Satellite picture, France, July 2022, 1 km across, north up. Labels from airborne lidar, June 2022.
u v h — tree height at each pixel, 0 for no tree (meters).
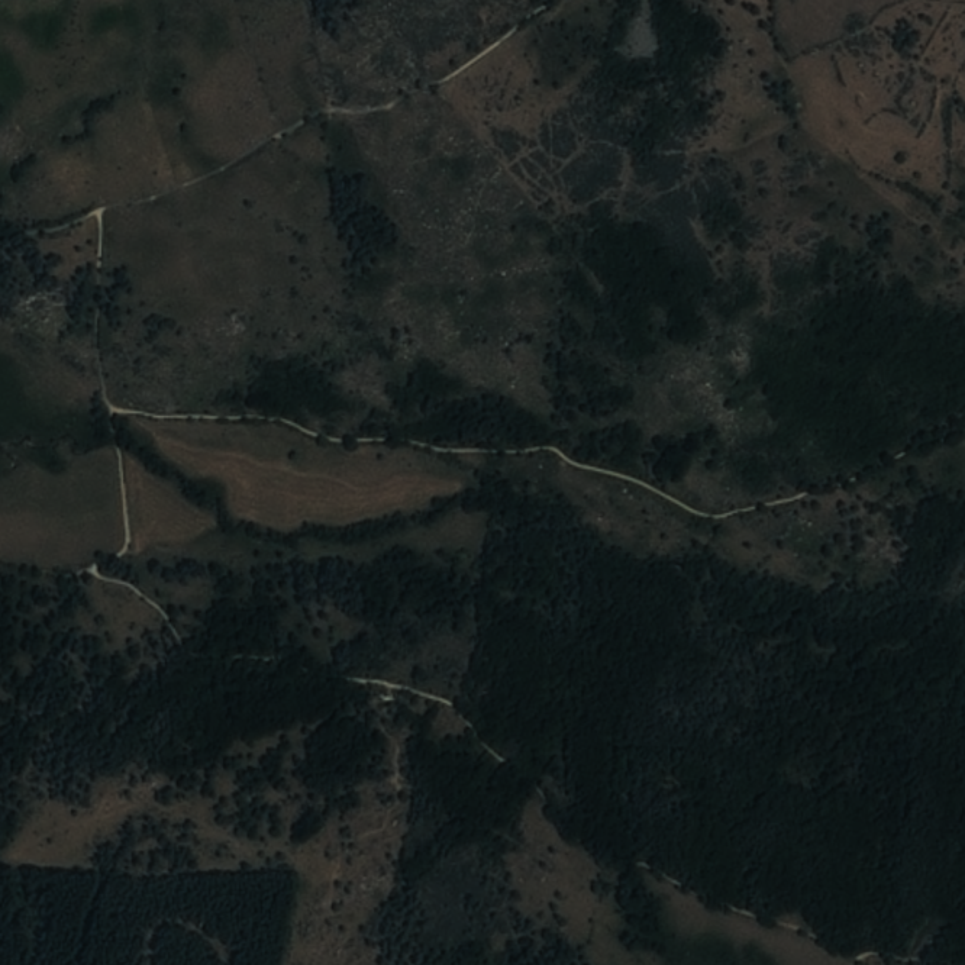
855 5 0
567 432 9
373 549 0
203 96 0
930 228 10
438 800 13
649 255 7
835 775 10
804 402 7
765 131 0
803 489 9
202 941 21
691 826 13
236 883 22
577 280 7
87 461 0
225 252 0
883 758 7
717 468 14
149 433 0
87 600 14
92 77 0
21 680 13
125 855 11
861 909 14
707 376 0
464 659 0
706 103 9
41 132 0
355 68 0
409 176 0
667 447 12
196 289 0
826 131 0
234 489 0
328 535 10
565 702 13
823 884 19
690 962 0
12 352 0
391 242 10
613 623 7
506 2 0
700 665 11
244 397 8
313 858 0
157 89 0
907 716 11
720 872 13
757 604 11
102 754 17
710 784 13
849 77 0
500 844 10
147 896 18
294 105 0
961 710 8
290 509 0
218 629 14
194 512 0
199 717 13
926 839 18
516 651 10
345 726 14
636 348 9
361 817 0
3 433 0
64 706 16
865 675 19
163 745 11
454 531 0
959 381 7
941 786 17
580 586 16
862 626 12
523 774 7
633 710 14
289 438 0
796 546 0
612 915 0
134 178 0
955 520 16
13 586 10
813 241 0
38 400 0
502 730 6
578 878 0
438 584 11
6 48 0
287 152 0
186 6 0
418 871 13
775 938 0
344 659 16
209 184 0
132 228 0
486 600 16
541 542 22
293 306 0
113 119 0
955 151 0
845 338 8
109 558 6
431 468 0
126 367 0
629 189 0
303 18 0
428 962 18
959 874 14
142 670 8
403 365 0
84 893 26
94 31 0
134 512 0
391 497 0
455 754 9
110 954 27
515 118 0
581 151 0
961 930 11
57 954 24
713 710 8
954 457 0
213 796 10
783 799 19
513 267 0
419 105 0
